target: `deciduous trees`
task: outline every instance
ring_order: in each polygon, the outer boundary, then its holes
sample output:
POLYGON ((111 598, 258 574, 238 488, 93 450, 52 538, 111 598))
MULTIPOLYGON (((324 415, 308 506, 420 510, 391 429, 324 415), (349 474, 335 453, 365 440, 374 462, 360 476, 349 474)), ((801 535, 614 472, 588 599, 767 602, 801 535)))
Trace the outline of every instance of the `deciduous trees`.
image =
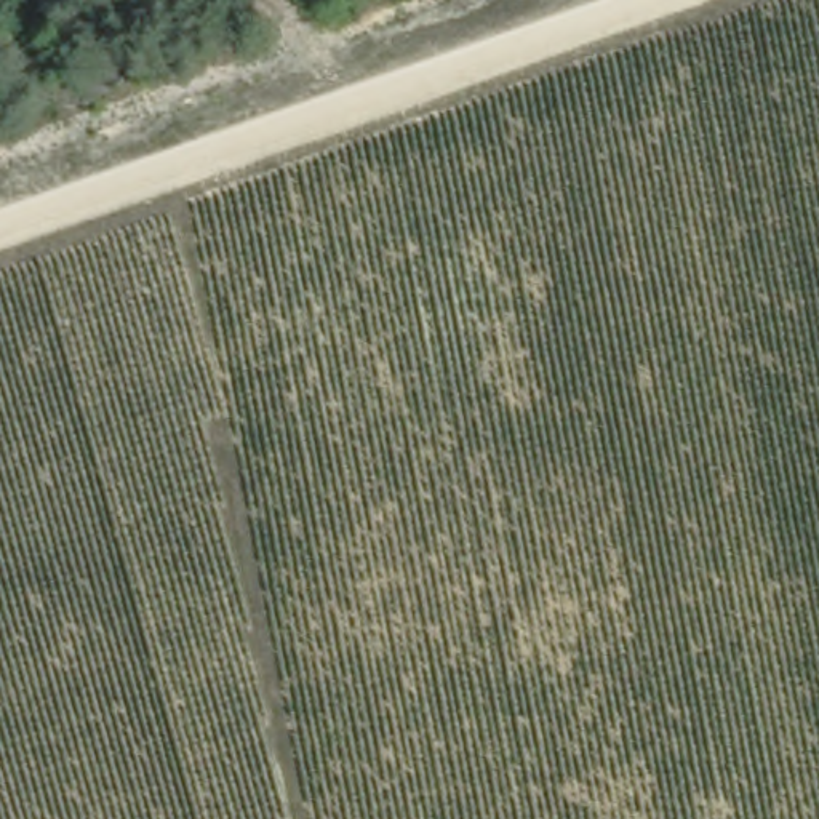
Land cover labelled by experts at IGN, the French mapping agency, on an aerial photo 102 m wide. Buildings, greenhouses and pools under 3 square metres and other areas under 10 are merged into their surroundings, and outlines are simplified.
POLYGON ((301 19, 317 29, 342 29, 358 16, 400 0, 291 0, 301 19))

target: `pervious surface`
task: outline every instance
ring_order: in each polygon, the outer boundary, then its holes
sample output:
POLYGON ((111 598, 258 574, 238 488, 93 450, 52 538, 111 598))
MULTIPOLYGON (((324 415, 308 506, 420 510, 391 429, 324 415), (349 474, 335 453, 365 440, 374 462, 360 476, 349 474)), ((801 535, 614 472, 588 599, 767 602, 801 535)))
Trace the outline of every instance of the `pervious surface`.
POLYGON ((694 10, 707 0, 585 0, 579 6, 547 13, 512 29, 454 45, 448 51, 381 70, 333 93, 262 112, 256 118, 189 138, 166 150, 125 160, 118 166, 70 179, 38 195, 0 205, 0 250, 250 166, 298 144, 323 141, 330 134, 352 131, 365 122, 397 115, 413 106, 425 106, 448 93, 566 54, 608 35, 694 10))

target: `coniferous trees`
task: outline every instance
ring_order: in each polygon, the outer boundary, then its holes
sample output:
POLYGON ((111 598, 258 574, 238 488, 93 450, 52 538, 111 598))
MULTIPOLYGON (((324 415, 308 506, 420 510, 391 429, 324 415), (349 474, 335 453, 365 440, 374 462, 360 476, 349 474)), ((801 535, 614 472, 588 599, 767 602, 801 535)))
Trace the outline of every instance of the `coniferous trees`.
POLYGON ((234 58, 243 51, 243 29, 259 19, 256 0, 0 0, 0 128, 10 109, 19 106, 29 96, 29 90, 48 74, 58 80, 61 90, 70 93, 96 67, 115 64, 125 83, 147 90, 163 83, 186 83, 214 64, 234 64, 234 58))

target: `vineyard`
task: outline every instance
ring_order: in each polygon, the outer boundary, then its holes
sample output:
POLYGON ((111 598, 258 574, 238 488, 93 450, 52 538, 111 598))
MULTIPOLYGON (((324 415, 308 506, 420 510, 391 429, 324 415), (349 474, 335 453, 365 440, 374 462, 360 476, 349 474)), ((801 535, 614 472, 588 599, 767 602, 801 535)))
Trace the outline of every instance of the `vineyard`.
POLYGON ((0 819, 819 819, 819 0, 707 0, 694 10, 608 35, 566 54, 448 93, 425 106, 413 106, 397 115, 365 122, 352 131, 330 134, 323 141, 298 144, 250 166, 0 250, 0 819))

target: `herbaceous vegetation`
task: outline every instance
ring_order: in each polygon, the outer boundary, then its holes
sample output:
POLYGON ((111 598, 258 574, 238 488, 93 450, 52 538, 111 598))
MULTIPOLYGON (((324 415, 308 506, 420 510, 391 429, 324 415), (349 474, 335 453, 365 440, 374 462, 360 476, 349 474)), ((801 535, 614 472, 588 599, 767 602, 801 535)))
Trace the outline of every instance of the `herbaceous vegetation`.
POLYGON ((29 96, 19 106, 10 109, 0 128, 0 205, 38 195, 70 179, 118 166, 125 160, 166 150, 189 138, 256 118, 262 112, 333 93, 381 70, 448 51, 454 45, 512 29, 547 13, 579 6, 585 0, 400 0, 358 16, 342 29, 317 29, 301 19, 291 0, 256 0, 259 19, 243 29, 243 51, 234 58, 234 64, 214 64, 186 83, 163 83, 147 90, 125 83, 115 64, 96 67, 70 93, 61 90, 58 80, 48 74, 29 90, 29 96))

